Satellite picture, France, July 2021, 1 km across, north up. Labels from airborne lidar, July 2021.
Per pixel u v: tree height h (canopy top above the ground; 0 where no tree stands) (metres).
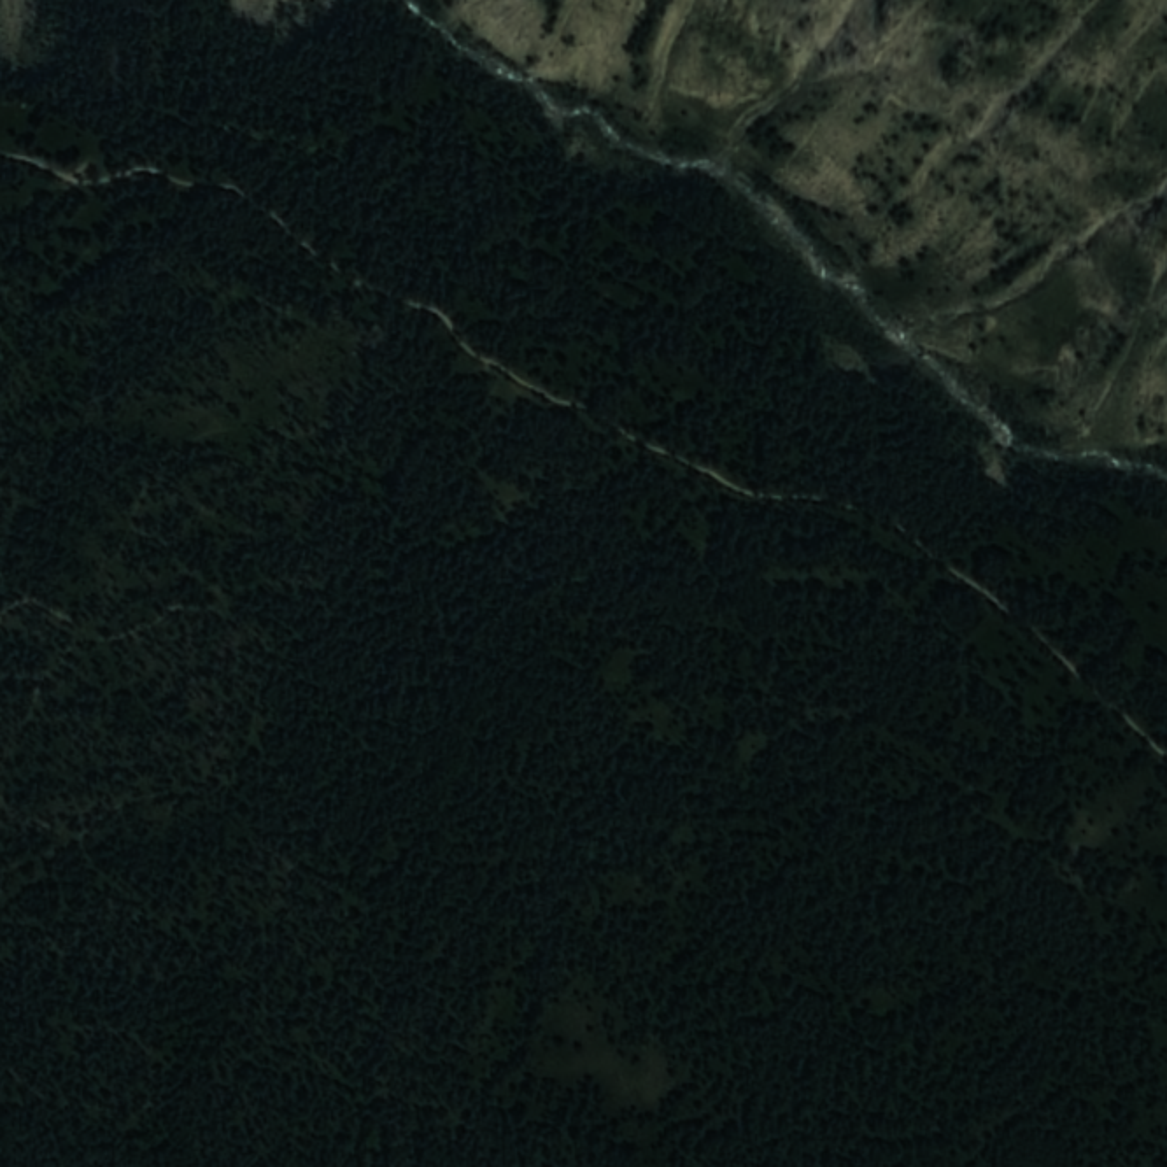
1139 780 0
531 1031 12
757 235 8
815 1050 10
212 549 14
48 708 7
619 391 24
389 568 25
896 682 17
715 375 25
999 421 11
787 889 21
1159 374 0
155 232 18
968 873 15
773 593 25
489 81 17
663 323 25
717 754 18
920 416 21
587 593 23
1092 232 0
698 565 16
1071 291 0
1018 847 18
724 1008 19
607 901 16
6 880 9
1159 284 0
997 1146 13
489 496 19
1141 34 0
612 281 12
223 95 20
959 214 0
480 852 12
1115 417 0
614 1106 0
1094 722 11
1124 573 11
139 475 11
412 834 8
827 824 20
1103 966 17
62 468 18
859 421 21
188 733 21
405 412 17
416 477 22
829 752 20
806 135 0
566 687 18
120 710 11
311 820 20
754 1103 14
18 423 22
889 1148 23
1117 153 0
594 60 0
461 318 22
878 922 11
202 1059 11
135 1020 15
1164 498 16
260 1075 18
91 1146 20
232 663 17
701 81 0
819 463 16
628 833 18
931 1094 12
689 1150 20
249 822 8
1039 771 11
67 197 12
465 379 15
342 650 17
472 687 23
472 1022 12
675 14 0
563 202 21
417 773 9
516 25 0
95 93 26
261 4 0
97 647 10
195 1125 12
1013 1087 14
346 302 25
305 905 18
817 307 8
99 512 7
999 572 23
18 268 25
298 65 19
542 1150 11
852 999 12
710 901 9
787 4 0
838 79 0
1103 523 27
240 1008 14
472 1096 19
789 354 12
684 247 30
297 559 17
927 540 22
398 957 10
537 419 21
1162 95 0
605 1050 0
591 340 13
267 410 0
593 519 28
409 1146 19
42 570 14
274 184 19
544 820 20
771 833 12
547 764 15
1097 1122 16
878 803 9
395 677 25
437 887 11
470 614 16
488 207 22
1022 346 0
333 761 11
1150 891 0
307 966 8
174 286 20
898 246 0
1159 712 19
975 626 27
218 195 23
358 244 9
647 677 19
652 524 16
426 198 11
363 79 28
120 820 13
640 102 0
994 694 25
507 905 15
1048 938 14
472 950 18
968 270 0
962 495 22
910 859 6
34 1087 20
